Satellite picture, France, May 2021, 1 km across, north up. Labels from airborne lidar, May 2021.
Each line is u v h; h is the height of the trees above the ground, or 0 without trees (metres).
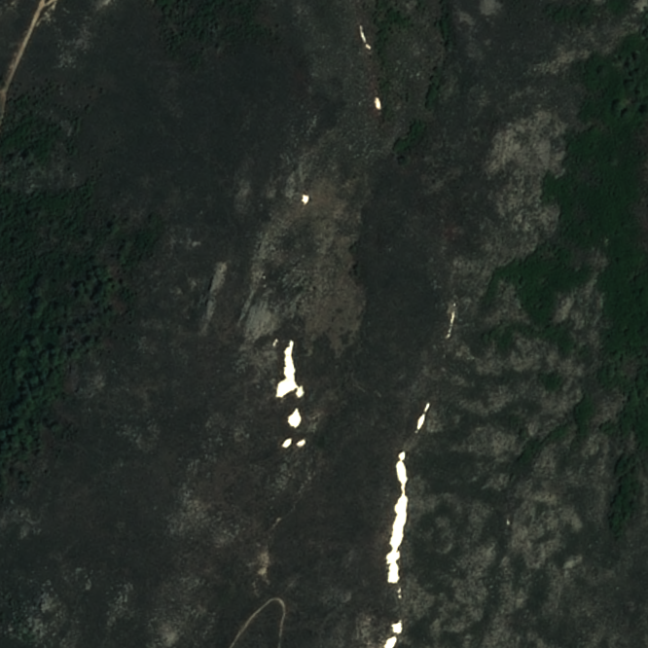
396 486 0
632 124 6
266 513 0
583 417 9
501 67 0
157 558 0
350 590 0
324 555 0
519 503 0
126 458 0
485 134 8
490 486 0
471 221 0
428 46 0
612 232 8
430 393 0
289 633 0
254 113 0
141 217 0
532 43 0
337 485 0
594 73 6
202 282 0
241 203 0
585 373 0
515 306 0
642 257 9
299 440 0
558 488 0
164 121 0
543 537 0
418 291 0
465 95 0
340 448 0
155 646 0
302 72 0
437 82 7
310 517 0
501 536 0
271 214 0
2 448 20
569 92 0
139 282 0
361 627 0
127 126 0
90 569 0
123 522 0
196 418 0
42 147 9
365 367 0
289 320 0
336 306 0
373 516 0
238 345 0
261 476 0
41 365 23
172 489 0
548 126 0
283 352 0
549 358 0
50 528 0
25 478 11
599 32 0
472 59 0
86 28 0
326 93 0
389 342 0
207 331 0
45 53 0
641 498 0
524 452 7
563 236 5
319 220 0
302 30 0
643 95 14
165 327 0
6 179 8
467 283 0
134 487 0
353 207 0
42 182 0
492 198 0
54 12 0
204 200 0
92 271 10
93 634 0
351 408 0
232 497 0
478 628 0
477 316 0
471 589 0
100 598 0
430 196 0
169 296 0
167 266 0
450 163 0
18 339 6
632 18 0
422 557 0
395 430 0
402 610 0
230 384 0
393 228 0
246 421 0
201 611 0
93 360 0
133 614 0
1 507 0
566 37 0
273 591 0
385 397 0
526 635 0
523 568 0
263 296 0
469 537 0
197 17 7
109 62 0
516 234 0
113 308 14
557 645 0
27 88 0
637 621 0
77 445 0
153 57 0
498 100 0
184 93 0
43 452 7
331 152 0
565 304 0
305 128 0
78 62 0
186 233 0
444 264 0
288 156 0
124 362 0
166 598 0
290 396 0
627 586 0
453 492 0
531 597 0
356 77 0
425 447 0
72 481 0
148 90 0
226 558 0
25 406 22
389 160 0
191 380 0
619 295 8
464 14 0
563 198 7
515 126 0
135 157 0
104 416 0
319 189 0
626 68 7
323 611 0
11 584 0
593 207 7
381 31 7
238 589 0
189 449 0
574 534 0
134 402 0
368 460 0
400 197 0
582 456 0
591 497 0
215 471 0
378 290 0
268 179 0
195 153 0
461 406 0
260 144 0
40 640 0
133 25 0
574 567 0
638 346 10
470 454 0
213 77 0
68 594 0
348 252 0
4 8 0
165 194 0
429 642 0
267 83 0
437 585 0
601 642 0
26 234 6
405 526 0
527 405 0
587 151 7
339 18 0
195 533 0
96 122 0
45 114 0
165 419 0
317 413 0
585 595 0
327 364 0
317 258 0
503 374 0
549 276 7
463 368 0
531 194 0
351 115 0
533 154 0
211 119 0
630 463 11
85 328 13
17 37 0
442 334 0
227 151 0
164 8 7
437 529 0
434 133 0
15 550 0
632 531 0
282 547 0
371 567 0
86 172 0
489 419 0
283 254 0
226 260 0
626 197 6
